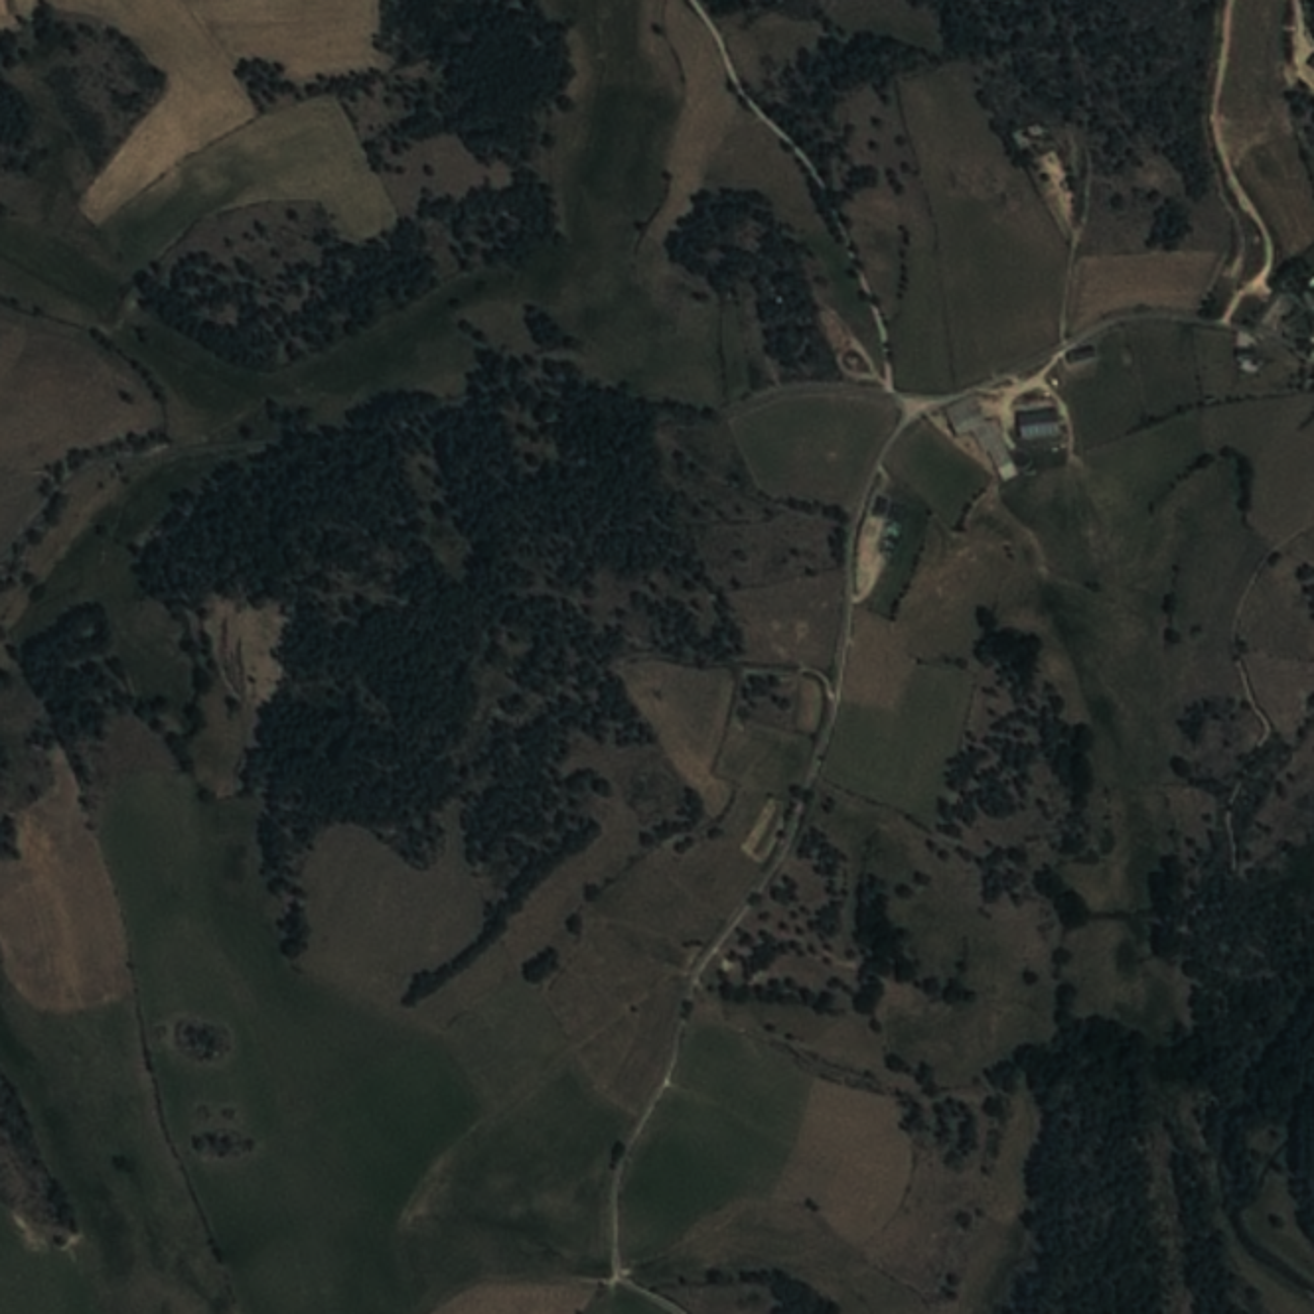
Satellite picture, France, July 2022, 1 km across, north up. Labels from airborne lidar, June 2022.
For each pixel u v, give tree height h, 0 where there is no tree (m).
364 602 14
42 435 0
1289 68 0
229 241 8
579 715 14
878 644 0
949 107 0
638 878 0
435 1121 0
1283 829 0
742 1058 0
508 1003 0
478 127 16
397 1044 0
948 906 0
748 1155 0
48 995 0
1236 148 0
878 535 0
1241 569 0
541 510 15
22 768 0
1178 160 9
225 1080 0
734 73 0
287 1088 0
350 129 0
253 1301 0
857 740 0
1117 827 0
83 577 0
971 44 17
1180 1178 16
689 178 0
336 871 0
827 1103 0
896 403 0
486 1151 0
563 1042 0
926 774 0
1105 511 0
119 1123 0
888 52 15
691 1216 0
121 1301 0
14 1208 0
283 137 0
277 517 11
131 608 0
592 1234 0
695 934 0
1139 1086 24
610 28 0
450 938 0
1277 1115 22
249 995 0
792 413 0
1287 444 0
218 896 0
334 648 12
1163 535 0
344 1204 0
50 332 0
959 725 0
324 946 0
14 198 0
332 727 21
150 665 0
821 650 0
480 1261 0
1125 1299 18
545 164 0
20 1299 0
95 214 0
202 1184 0
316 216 0
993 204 0
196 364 0
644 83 0
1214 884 8
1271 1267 0
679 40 0
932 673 0
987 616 17
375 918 0
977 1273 0
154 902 0
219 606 0
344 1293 0
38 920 0
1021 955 0
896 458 0
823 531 0
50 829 0
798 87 14
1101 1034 19
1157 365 0
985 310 0
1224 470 0
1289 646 0
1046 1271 10
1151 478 0
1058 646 0
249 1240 0
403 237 16
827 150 11
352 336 13
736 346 0
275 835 20
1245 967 13
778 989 15
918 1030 0
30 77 0
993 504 0
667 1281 0
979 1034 0
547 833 11
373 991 0
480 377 9
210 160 0
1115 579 0
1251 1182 17
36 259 0
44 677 18
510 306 0
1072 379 0
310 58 0
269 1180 0
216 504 17
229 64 0
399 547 16
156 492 0
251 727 0
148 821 0
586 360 0
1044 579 0
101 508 0
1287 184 0
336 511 20
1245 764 7
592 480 15
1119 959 0
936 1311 0
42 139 0
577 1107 0
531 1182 0
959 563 0
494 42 19
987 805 14
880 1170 0
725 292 13
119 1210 0
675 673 0
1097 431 0
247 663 0
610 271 0
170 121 0
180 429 0
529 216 13
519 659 0
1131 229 0
